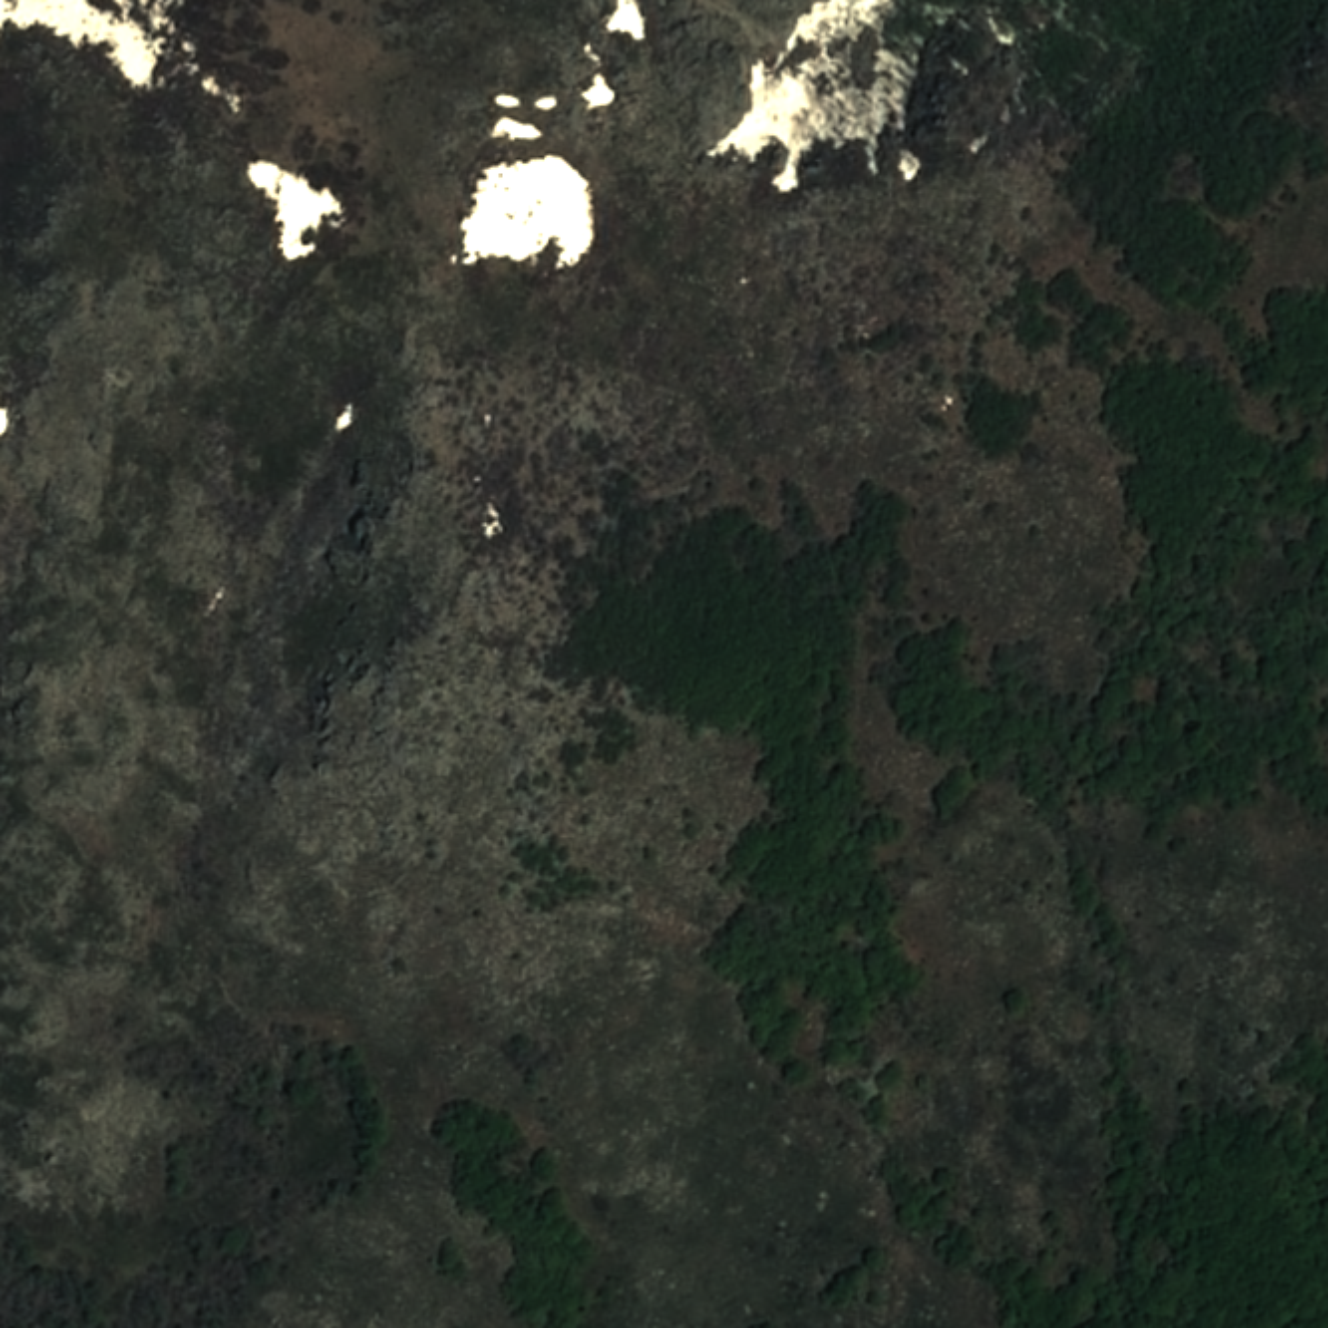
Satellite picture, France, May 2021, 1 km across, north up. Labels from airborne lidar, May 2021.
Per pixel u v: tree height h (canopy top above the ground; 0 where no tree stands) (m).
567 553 8
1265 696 10
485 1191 16
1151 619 11
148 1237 0
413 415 0
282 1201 12
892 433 0
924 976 10
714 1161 0
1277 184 17
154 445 0
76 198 0
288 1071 6
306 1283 0
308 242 0
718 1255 0
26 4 0
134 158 0
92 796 0
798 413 0
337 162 0
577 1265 16
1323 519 14
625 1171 0
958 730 17
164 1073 11
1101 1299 10
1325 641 16
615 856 0
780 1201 0
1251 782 20
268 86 0
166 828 0
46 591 0
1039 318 15
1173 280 19
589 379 0
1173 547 20
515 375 0
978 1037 0
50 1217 0
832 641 17
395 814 0
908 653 18
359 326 0
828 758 7
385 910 0
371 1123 19
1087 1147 0
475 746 0
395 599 0
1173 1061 0
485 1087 0
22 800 0
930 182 0
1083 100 8
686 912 0
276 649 7
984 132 10
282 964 0
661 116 0
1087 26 12
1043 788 19
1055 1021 0
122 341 0
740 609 21
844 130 8
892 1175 13
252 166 0
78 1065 0
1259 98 12
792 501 16
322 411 0
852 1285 13
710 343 0
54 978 0
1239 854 0
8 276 0
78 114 0
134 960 0
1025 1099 0
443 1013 0
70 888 0
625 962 0
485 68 0
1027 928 0
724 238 0
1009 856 0
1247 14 12
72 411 0
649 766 0
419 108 0
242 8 0
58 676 0
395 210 0
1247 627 13
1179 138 16
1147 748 17
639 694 10
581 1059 0
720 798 0
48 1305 10
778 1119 0
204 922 0
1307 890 0
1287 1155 13
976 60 7
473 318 0
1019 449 5
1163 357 9
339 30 0
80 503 0
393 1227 0
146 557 0
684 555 14
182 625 0
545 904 7
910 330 9
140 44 0
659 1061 0
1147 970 0
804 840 18
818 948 15
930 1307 0
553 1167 16
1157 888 0
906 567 15
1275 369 20
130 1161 0
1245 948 0
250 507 10
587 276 0
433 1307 0
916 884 0
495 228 0
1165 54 17
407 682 7
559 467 8
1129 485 13
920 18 8
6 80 0
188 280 0
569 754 10
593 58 0
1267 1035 10
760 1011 20
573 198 0
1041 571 0
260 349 0
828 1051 13
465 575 0
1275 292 7
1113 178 19
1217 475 21
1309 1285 21
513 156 0
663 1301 0
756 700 13
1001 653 13
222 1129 12
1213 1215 22
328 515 9
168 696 0
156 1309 14
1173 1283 24
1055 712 12
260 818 0
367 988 0
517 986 0
